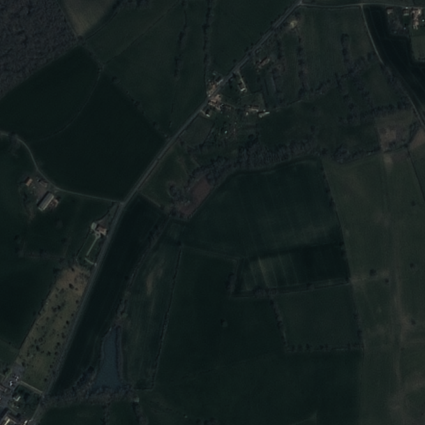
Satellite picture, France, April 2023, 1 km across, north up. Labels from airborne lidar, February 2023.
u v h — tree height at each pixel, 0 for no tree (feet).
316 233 0
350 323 0
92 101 0
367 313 0
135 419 0
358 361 0
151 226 0
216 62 0
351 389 0
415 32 0
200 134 0
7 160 0
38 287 0
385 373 0
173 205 60
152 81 0
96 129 0
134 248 0
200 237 0
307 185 0
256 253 0
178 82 0
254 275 0
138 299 0
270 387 0
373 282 0
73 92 0
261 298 34
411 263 0
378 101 0
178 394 0
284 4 0
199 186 0
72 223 0
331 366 0
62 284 0
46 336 24
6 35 67
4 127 0
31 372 0
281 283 0
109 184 0
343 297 0
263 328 0
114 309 0
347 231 0
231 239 0
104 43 0
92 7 0
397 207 0
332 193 54
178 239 0
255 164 61
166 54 0
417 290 0
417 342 0
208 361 0
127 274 0
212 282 0
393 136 0
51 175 0
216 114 0
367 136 0
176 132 0
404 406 0
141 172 0
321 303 0
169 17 0
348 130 0
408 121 0
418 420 0
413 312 0
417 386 0
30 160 0
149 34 0
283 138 0
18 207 0
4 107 0
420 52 0
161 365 0
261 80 30
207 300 0
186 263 0
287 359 0
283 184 0
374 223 0
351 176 0
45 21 69
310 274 0
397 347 0
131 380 0
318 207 0
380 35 0
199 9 0
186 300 0
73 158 0
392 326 0
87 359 0
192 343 0
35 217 0
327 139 0
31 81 0
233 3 0
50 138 0
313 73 0
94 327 0
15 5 60
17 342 0
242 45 0
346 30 0
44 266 0
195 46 0
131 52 0
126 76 0
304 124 0
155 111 0
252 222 0
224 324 42
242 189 0
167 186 0
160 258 0
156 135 0
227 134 0
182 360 0
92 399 66
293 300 0
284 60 45
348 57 67
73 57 0
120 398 21
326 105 0
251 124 0
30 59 56
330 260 0
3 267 0
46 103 0
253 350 0
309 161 0
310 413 0
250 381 0
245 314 0
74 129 0
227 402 0
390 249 0
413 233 0
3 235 0
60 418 0
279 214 0
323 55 0
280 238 0
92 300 0
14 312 0
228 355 0
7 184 0
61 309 23
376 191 0
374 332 0
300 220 0
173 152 0
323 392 0
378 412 0
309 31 0
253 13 0
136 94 0
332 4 0
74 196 0
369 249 0
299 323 0
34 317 33
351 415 0
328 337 0
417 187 0
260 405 0
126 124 0
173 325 0
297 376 0
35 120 0
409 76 0
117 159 0
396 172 0
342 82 47
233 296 0
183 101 0
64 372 0
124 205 0
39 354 0
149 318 0
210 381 0
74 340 0
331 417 0
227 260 0
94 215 0
